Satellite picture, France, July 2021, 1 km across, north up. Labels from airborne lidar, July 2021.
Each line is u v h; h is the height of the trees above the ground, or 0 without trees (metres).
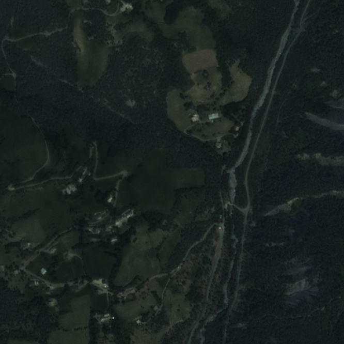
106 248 14
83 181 7
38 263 0
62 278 0
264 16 11
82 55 0
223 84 8
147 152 14
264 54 9
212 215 7
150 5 0
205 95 0
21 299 8
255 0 11
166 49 8
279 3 9
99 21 9
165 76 13
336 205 14
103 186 0
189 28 0
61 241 0
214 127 0
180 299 0
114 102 10
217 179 13
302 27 0
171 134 10
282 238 11
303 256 13
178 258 13
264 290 21
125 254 0
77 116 16
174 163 15
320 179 16
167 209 0
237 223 9
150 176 0
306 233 15
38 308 10
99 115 10
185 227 7
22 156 0
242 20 10
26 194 0
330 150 11
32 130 0
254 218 11
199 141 12
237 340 15
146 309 0
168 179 0
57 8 11
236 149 9
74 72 13
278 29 14
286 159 13
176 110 0
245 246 6
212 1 0
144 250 0
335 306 12
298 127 9
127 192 0
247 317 8
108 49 0
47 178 14
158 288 0
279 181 13
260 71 8
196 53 0
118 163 0
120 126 10
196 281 9
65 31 12
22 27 12
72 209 10
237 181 7
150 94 8
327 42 8
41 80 10
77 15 0
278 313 12
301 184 15
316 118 0
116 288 8
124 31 0
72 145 0
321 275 16
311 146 11
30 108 9
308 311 11
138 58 6
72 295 0
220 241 0
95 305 0
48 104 16
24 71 12
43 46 7
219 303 10
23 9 11
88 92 11
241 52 9
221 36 7
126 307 0
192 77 0
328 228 18
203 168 8
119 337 11
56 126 19
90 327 12
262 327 10
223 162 11
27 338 10
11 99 22
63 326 0
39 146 0
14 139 0
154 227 12
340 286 12
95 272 0
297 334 13
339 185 11
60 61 9
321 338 8
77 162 6
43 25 8
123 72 9
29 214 11
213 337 15
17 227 0
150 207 0
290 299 0
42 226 0
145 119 9
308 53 6
